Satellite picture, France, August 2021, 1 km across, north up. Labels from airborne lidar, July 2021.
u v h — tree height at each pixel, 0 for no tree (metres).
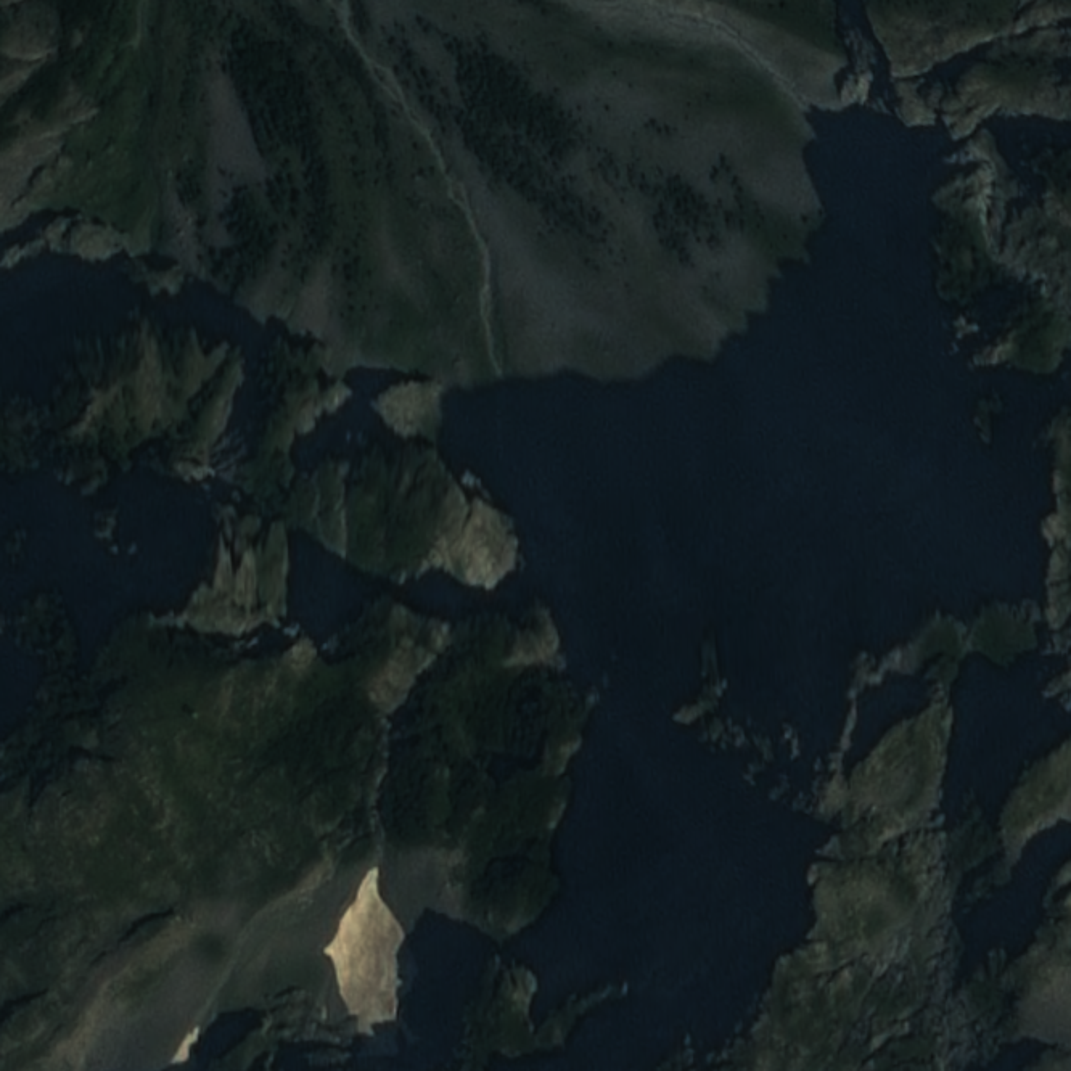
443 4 0
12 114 7
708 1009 0
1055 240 0
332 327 0
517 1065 0
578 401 0
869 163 0
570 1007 0
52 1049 0
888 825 0
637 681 0
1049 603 0
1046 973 0
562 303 0
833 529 0
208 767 0
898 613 0
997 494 0
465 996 0
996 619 0
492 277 0
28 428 0
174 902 0
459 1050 0
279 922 0
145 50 0
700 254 0
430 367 0
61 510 0
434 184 0
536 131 7
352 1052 0
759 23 0
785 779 0
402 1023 0
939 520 0
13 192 0
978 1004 0
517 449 0
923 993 0
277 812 0
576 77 0
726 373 0
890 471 0
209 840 0
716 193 0
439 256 0
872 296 0
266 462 0
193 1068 0
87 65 7
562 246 0
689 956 0
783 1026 0
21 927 0
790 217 0
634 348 0
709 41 0
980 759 0
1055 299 0
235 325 0
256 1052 0
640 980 0
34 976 0
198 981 0
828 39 0
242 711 0
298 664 0
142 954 0
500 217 0
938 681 0
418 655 0
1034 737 0
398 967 0
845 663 7
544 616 0
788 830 0
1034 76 0
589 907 0
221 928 0
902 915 0
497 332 0
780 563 0
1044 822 0
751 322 0
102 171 0
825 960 0
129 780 0
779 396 0
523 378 0
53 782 0
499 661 0
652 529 0
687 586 0
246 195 8
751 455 0
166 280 0
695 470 0
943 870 0
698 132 0
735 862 0
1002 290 6
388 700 0
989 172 0
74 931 0
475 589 0
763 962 0
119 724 0
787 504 0
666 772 0
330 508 0
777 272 0
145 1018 0
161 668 0
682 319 0
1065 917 0
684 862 0
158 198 0
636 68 0
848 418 0
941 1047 0
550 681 11
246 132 0
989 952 0
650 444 0
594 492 0
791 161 0
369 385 0
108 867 0
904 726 0
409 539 0
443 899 0
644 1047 0
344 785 0
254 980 0
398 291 0
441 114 6
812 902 0
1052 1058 0
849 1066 0
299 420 0
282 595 0
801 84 0
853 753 0
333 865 0
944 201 0
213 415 0
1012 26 0
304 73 8
